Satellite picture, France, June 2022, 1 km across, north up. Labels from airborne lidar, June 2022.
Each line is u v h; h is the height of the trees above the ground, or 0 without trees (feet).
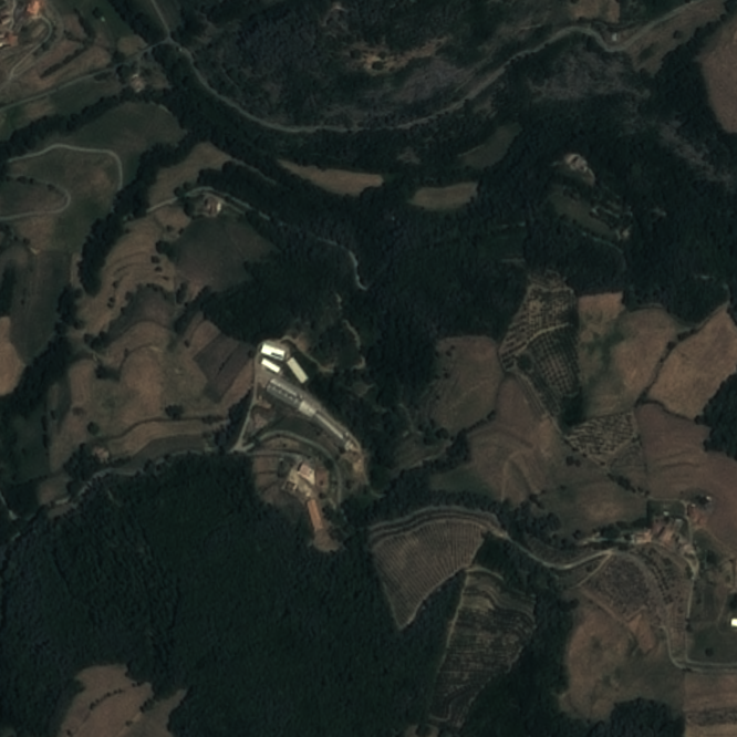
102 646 57
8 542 42
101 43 0
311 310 20
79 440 0
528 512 46
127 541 45
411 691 38
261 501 36
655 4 34
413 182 51
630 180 54
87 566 52
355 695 70
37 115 0
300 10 33
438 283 65
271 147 46
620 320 0
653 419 0
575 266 55
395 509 63
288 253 54
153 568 70
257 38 74
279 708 64
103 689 0
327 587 70
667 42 0
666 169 57
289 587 59
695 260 67
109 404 0
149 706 29
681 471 0
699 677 0
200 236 0
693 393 0
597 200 30
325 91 35
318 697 68
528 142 66
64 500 0
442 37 21
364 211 64
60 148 0
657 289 42
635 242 35
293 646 48
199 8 26
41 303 0
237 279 0
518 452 0
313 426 23
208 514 50
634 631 0
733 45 0
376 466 25
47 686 49
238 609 53
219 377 0
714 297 39
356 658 66
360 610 65
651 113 31
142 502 46
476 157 0
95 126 0
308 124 27
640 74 18
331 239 44
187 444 0
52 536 59
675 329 0
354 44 33
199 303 29
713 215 73
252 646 59
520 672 32
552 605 26
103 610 50
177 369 0
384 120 22
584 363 0
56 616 53
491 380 0
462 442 29
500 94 50
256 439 19
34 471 0
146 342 0
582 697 0
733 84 0
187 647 58
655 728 65
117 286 22
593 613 0
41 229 0
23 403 51
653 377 0
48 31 0
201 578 56
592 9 0
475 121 41
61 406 0
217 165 0
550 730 64
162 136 0
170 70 39
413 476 39
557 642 45
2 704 58
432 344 21
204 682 62
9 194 0
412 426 0
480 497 27
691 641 0
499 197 45
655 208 40
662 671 0
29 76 0
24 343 0
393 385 45
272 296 30
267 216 39
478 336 19
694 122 47
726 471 0
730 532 0
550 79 39
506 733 18
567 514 0
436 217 50
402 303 58
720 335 0
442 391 0
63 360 83
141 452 0
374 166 54
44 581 46
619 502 0
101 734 0
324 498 34
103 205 0
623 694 0
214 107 29
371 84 27
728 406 41
